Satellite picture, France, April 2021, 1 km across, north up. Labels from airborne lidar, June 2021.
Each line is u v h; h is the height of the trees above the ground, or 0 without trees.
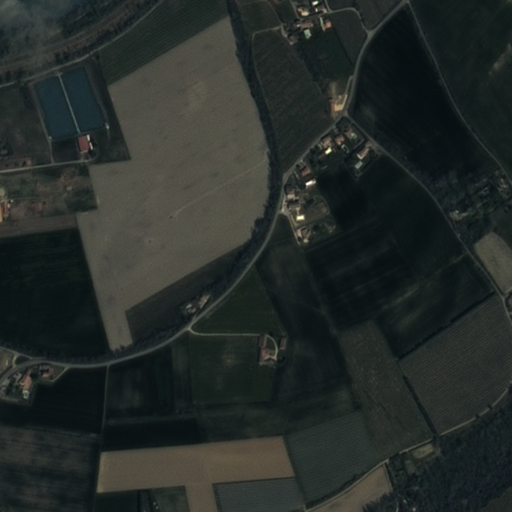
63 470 0
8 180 0
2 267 0
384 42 0
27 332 0
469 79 0
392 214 0
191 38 0
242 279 0
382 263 0
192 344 0
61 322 0
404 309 0
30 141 0
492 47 0
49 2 0
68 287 0
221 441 0
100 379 0
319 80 13
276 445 0
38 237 0
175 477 0
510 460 9
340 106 0
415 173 14
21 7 0
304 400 0
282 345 0
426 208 0
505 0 0
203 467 0
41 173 0
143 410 0
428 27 0
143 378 0
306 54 12
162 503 0
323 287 0
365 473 10
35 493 0
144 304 0
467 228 9
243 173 0
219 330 0
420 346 9
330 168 0
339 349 0
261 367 0
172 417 0
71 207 0
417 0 0
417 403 16
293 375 0
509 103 0
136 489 0
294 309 0
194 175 0
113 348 0
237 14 13
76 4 0
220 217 0
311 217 0
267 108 11
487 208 10
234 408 0
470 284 0
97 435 0
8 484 0
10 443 0
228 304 0
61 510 0
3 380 0
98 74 0
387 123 0
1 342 16
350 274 0
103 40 15
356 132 0
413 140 0
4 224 0
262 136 0
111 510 0
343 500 0
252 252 15
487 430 26
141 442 0
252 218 0
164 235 0
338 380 0
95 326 0
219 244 0
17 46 15
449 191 7
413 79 0
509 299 6
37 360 0
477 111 0
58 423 0
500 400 0
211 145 0
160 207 0
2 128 0
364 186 0
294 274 0
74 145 0
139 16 16
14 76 13
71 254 0
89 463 0
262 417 0
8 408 0
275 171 16
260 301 0
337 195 0
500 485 7
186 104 0
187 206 0
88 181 0
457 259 0
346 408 0
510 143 0
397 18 0
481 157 0
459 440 8
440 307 0
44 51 0
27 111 0
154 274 0
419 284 0
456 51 0
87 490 0
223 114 0
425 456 0
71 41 0
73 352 0
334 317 0
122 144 0
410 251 0
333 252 0
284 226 0
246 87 0
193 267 0
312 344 0
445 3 0
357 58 0
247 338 0
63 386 0
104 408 0
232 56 0
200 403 0
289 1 0
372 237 0
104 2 18
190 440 0
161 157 0
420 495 18
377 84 0
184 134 0
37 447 0
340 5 0
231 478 0
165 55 0
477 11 0
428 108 0
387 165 0
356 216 0
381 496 0
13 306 0
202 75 0
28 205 0
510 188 8
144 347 12
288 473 0
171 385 0
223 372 0
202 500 0
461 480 16
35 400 0
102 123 0
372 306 0
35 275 0
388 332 0
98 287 0
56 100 0
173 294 0
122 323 0
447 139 0
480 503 7
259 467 0
